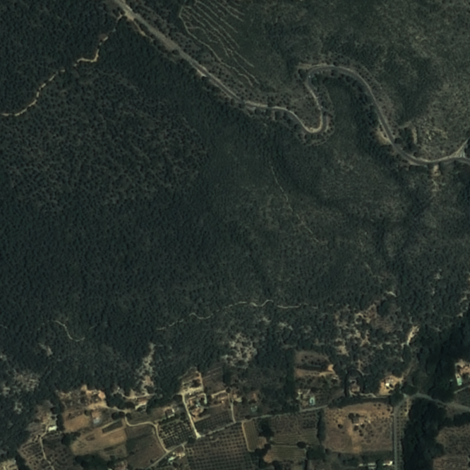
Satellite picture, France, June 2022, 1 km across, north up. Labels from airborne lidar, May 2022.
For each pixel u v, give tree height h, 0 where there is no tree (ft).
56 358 40
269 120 20
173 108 25
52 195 50
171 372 35
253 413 0
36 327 45
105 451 0
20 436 55
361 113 45
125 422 0
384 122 0
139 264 29
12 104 35
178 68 23
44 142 19
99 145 47
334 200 20
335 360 45
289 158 18
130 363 40
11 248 41
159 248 38
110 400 54
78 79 19
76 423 0
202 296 31
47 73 44
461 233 25
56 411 83
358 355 38
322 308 47
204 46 27
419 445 59
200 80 20
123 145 50
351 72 0
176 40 21
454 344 63
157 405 40
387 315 53
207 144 38
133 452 19
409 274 36
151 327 42
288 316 29
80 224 40
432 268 20
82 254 26
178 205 34
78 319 26
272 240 28
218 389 0
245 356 31
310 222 29
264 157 20
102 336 53
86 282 54
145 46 20
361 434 21
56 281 48
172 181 38
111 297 36
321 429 52
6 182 27
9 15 38
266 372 32
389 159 45
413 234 22
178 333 28
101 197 36
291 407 37
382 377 47
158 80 38
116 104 49
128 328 40
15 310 40
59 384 47
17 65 38
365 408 0
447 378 73
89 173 54
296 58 18
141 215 31
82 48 38
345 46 28
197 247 48
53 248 33
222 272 26
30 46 31
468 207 21
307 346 51
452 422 56
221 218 19
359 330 21
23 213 51
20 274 54
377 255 23
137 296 32
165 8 35
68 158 46
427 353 87
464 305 28
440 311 27
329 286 26
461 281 27
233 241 26
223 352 40
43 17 42
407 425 21
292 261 21
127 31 27
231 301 23
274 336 57
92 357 24
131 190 34
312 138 30
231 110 41
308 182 18
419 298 43
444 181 25
